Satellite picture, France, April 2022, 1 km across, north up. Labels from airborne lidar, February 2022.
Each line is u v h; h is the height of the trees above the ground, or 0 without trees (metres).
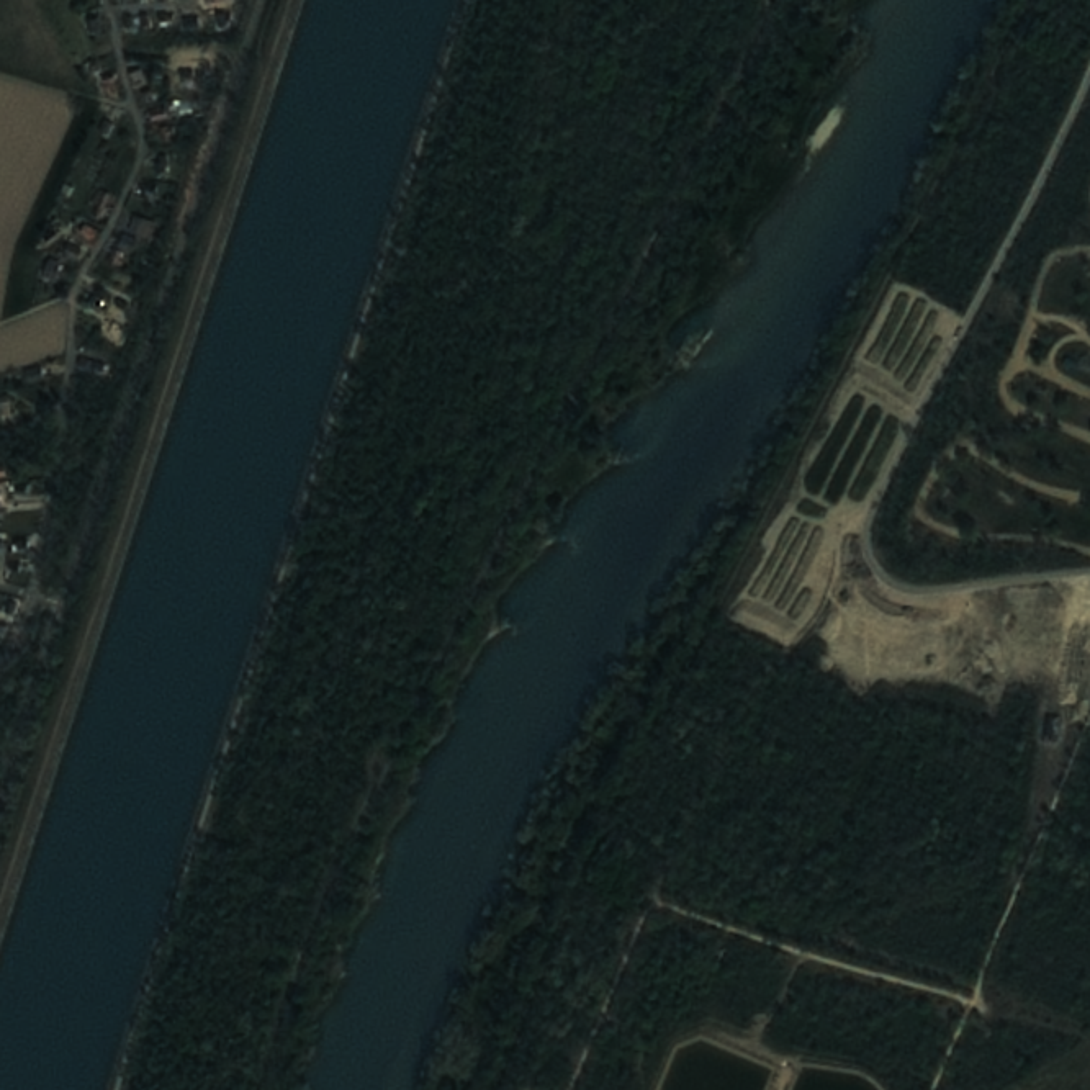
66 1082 0
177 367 0
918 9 0
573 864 21
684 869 19
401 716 17
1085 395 0
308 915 19
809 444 0
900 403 0
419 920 0
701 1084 0
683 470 0
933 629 0
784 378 0
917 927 6
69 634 13
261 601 0
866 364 0
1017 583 0
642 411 0
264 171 0
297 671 7
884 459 0
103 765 0
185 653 0
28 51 0
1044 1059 13
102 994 0
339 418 16
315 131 0
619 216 10
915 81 0
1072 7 20
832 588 0
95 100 0
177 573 0
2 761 18
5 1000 0
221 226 0
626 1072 15
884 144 0
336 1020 0
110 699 0
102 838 0
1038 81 16
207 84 14
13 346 0
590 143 12
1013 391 10
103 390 14
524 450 17
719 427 0
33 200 0
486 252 18
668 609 15
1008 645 0
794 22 32
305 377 0
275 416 0
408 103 0
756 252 0
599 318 20
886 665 0
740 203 0
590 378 15
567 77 17
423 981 0
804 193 0
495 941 22
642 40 18
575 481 0
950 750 17
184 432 0
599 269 16
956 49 0
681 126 11
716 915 15
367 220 0
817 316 0
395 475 26
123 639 0
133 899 0
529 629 0
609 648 0
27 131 0
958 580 0
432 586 17
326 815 20
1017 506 0
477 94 13
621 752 17
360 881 19
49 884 0
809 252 0
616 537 0
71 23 0
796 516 0
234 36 16
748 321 0
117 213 0
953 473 17
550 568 0
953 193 12
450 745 0
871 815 8
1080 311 10
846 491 0
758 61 22
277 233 0
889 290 0
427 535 21
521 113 13
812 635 0
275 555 0
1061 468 17
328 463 9
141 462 0
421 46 0
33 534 0
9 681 19
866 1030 14
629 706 31
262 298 0
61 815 0
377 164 0
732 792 16
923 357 0
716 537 22
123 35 0
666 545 0
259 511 0
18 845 0
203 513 0
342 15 0
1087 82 0
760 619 0
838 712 18
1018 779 19
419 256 8
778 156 0
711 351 0
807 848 0
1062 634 0
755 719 9
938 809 13
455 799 0
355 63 0
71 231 0
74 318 0
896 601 0
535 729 0
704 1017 0
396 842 0
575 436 25
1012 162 7
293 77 0
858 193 0
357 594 21
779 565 0
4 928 0
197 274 0
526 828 13
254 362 0
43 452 18
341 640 21
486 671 0
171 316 15
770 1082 0
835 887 6
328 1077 0
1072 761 18
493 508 17
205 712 0
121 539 0
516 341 18
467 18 18
